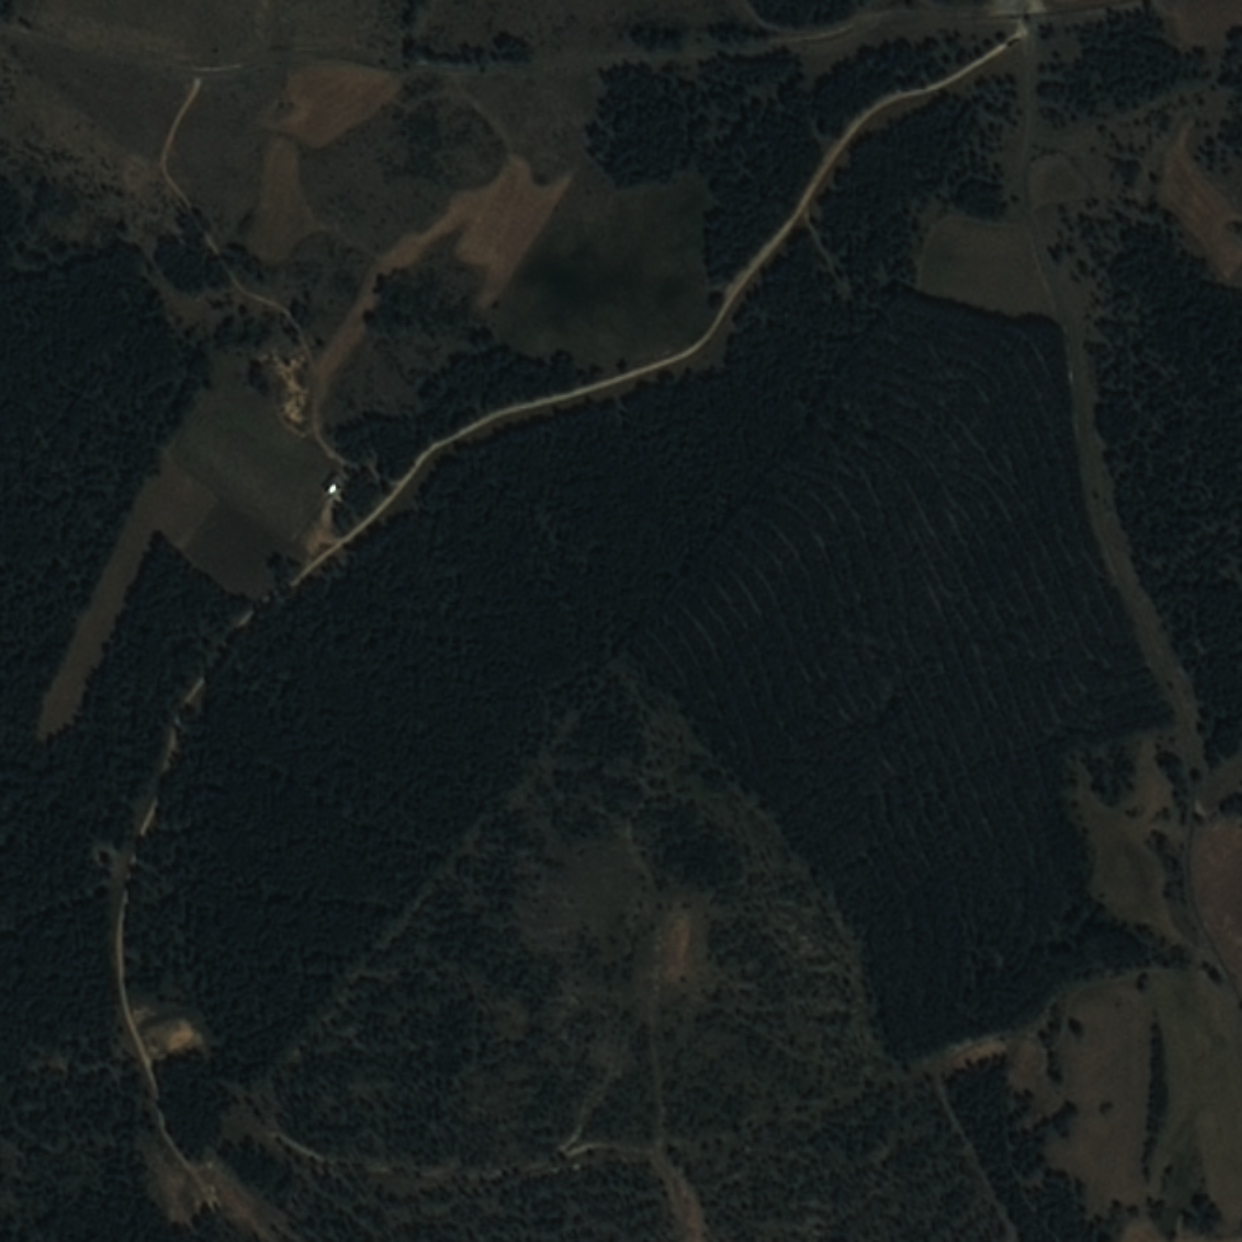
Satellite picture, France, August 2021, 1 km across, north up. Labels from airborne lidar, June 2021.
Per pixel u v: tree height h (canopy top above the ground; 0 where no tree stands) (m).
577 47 0
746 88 7
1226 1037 0
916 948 17
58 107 0
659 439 12
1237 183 0
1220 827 0
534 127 0
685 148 15
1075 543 14
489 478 12
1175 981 0
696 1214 0
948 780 17
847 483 17
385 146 0
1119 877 0
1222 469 9
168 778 9
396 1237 9
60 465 7
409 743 12
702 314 0
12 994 8
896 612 19
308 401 0
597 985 0
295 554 0
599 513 14
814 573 19
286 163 0
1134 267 8
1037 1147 7
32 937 13
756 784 18
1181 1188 0
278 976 12
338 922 12
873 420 19
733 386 14
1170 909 0
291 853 11
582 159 0
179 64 0
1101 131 6
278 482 0
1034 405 18
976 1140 11
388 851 13
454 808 11
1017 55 0
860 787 18
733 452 14
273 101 0
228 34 0
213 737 11
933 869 15
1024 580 16
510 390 13
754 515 17
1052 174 0
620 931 0
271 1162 12
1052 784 15
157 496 0
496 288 0
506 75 0
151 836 10
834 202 10
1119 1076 0
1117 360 6
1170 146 0
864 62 12
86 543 9
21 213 15
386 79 0
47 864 13
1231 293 8
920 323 17
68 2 0
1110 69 9
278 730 12
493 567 14
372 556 12
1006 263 0
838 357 10
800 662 17
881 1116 7
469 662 14
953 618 17
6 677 15
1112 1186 0
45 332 13
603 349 0
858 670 17
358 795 10
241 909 14
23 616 13
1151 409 8
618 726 7
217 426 0
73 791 6
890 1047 7
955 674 19
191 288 12
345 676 11
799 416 15
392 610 10
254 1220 0
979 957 12
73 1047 8
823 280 13
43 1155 9
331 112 0
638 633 18
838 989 11
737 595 19
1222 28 0
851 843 17
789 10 12
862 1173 9
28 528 14
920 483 19
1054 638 17
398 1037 8
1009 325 18
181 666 12
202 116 0
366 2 0
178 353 8
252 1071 9
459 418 13
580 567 8
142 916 10
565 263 0
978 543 16
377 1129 9
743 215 14
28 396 15
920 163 10
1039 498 16
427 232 0
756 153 14
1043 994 18
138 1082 8
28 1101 10
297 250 0
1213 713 7
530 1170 0
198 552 0
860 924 13
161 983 7
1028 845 17
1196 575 7
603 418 12
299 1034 9
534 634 13
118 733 7
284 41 0
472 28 0
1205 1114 0
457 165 0
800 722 18
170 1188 0
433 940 6
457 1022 7
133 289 10
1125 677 17
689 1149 0
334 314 0
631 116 15
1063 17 0
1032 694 15
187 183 0
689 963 0
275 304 0
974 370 16
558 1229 7
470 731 9
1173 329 7
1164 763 10
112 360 10
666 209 0
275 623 13
